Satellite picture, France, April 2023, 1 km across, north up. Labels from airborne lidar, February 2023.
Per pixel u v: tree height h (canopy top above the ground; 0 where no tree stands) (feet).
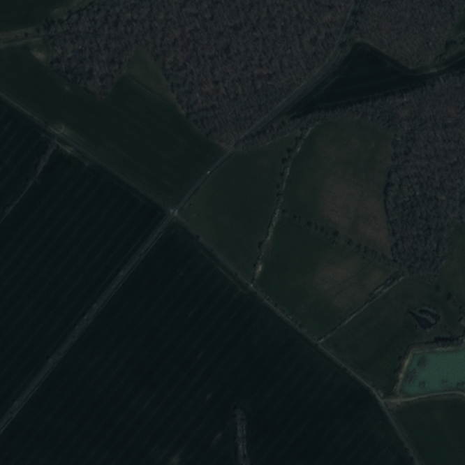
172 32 68
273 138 18
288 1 66
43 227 0
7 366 0
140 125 0
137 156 0
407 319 0
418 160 80
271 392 0
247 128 66
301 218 29
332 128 0
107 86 56
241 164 0
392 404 0
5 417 0
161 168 0
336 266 0
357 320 0
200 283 0
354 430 0
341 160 0
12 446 0
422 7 63
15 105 0
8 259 0
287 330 0
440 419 0
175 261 0
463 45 24
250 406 0
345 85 0
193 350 0
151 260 0
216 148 0
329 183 0
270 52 68
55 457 0
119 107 0
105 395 0
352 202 0
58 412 0
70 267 0
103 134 0
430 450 0
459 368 0
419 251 71
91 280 0
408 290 0
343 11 73
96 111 0
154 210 0
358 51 0
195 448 0
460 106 62
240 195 0
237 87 59
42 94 0
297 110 0
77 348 0
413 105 56
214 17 75
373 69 0
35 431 0
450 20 63
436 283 0
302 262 0
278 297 0
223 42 74
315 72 58
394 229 49
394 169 30
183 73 53
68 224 0
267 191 0
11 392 0
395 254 30
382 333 0
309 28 79
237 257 0
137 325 0
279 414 0
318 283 0
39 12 0
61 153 0
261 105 54
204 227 0
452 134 65
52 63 22
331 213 0
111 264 0
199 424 0
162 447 0
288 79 73
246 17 67
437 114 52
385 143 0
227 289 0
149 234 0
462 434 0
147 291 0
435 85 50
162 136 0
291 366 0
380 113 26
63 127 0
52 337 0
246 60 59
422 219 27
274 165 0
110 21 83
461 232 0
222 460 0
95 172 0
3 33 0
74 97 0
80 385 0
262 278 0
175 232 0
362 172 0
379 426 0
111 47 79
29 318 0
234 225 0
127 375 0
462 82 66
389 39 70
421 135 80
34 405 0
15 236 0
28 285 0
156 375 0
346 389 0
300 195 0
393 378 0
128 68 0
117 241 0
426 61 58
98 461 0
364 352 0
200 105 48
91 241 0
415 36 61
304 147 0
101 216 0
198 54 68
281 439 0
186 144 0
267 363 0
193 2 65
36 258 0
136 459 0
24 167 0
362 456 0
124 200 0
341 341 0
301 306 0
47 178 0
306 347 0
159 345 0
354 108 70
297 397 0
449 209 69
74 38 75
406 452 28
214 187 0
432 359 0
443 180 69
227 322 0
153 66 0
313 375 0
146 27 66
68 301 0
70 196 0
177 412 0
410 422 0
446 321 0
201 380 0
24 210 0
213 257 0
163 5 75
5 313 0
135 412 0
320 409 0
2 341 0
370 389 21
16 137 0
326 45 63
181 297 0
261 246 42
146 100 0
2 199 0
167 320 0
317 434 0
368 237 0
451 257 0
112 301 0
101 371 0
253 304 0
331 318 0
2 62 0
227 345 0
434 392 0
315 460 0
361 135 0
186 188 0
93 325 0
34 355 0
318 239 0
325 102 0
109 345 0
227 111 67
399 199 75
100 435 0
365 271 0
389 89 0
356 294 0
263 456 0
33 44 0
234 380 0
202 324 0
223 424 0
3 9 0
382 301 0
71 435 0
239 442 42
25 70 0
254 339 0
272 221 18
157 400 0
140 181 0
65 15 0
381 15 68
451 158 70
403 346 0
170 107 0
